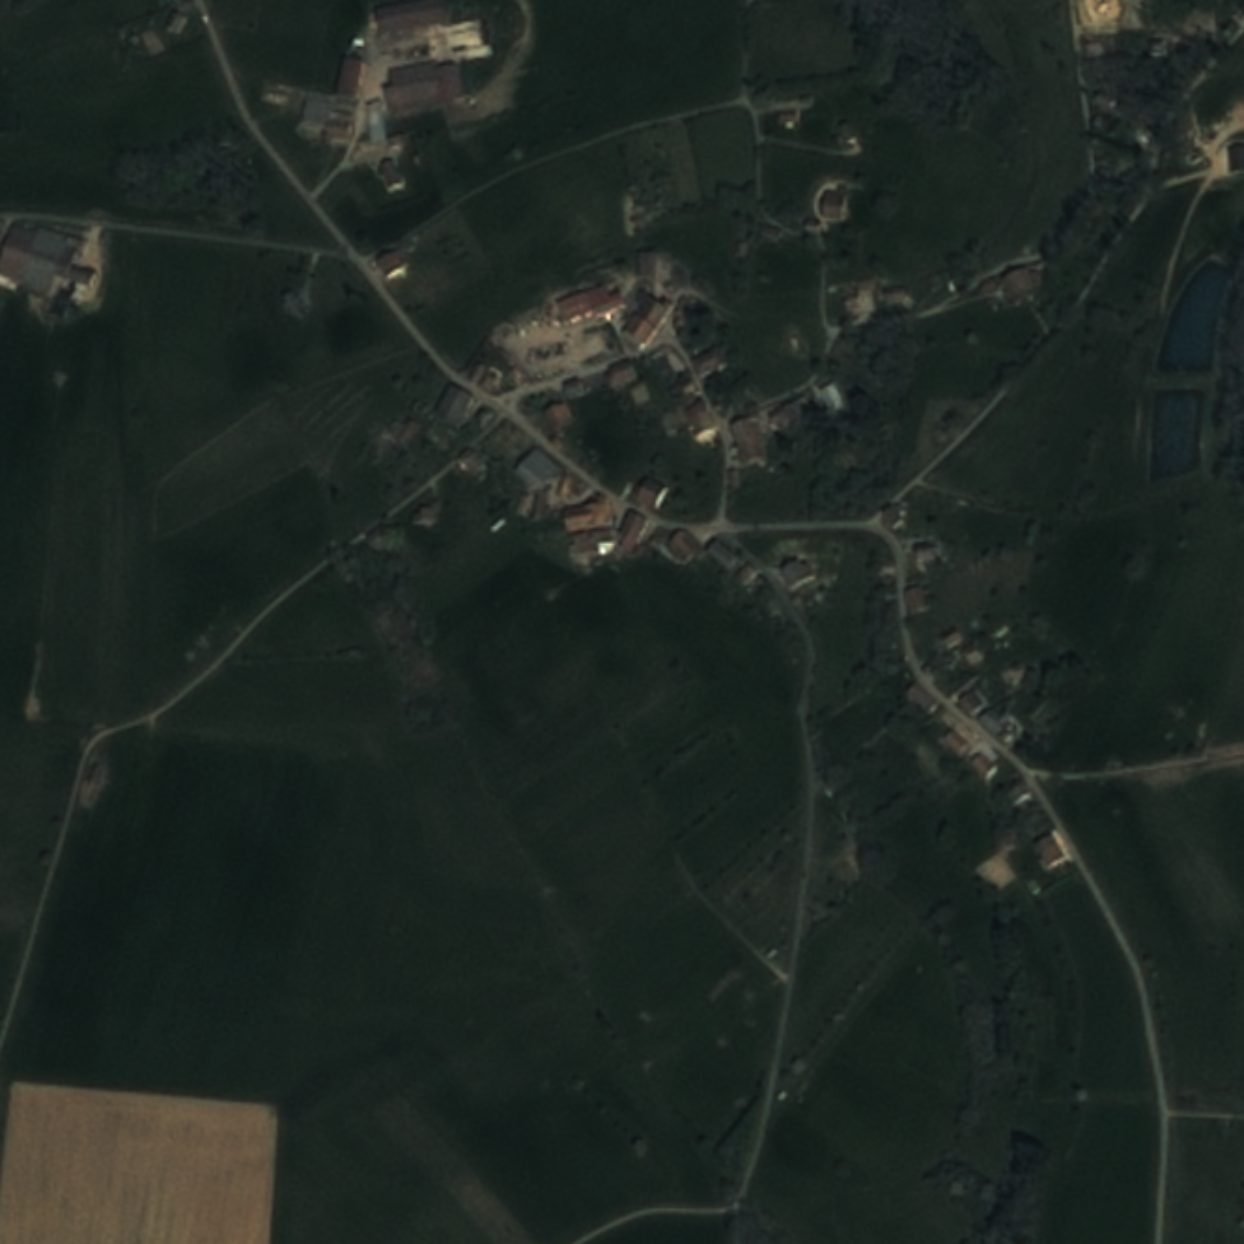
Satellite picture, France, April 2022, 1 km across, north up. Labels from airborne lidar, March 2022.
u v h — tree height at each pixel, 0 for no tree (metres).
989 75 15
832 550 0
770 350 0
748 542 0
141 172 20
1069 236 17
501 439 0
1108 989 0
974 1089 8
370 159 0
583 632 0
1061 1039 0
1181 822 0
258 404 0
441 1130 0
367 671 0
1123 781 0
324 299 0
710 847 0
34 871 0
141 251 0
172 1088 0
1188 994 0
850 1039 0
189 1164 0
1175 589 0
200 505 0
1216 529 0
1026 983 8
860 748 0
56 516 0
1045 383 0
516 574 0
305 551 0
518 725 0
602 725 0
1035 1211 22
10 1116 0
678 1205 0
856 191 0
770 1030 0
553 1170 0
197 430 0
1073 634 0
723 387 9
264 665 0
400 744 0
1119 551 0
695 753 5
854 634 0
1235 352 23
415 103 0
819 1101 0
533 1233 0
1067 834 0
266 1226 0
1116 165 6
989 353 0
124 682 0
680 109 0
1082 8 0
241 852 0
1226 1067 0
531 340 0
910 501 0
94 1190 0
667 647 0
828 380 8
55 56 0
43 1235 0
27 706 0
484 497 0
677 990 0
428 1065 0
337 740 0
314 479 0
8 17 0
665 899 0
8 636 0
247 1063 0
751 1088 0
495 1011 0
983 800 0
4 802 0
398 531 11
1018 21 0
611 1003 0
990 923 0
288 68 0
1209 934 0
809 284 0
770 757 0
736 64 0
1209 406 0
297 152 0
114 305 0
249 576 0
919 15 24
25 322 0
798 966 0
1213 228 0
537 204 0
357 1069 0
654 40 0
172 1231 0
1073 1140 0
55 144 0
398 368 0
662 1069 0
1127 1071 0
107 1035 0
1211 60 23
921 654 0
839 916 11
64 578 0
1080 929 0
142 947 0
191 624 0
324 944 0
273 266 0
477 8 0
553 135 0
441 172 0
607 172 0
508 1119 0
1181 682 0
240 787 0
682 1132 0
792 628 7
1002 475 0
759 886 0
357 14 0
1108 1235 0
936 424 0
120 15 0
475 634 0
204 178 23
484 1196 0
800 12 0
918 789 0
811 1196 0
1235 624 0
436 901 0
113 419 0
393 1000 0
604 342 0
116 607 0
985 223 0
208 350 0
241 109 0
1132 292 0
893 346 24
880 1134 0
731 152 0
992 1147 0
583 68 0
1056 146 0
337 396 0
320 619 0
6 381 0
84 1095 0
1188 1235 0
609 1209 0
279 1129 0
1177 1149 0
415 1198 0
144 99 0
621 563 0
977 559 0
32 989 0
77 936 0
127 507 0
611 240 0
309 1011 0
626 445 0
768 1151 0
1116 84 14
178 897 0
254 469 0
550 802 0
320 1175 0
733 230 0
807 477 0
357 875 0
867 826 12
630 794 0
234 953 0
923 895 0
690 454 0
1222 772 0
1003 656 0
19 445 0
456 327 0
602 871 0
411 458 9
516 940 0
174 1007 0
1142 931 0
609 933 0
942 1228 0
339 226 0
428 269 0
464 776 0
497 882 0
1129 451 0
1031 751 12
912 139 0
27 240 0
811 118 0
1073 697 11
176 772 0
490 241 0
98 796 0
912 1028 0
